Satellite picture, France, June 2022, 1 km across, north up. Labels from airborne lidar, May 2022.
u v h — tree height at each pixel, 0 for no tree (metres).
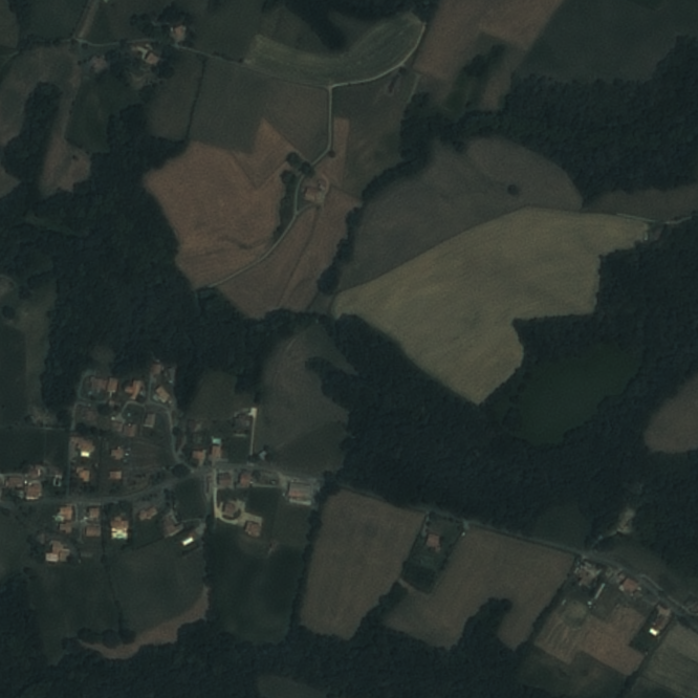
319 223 0
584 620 0
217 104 0
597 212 0
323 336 0
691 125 25
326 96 0
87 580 0
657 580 0
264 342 19
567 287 0
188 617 0
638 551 0
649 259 18
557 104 6
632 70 0
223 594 0
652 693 0
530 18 0
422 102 11
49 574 0
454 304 0
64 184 0
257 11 0
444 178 0
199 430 0
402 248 0
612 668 0
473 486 23
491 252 0
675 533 19
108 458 0
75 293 23
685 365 13
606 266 14
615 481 25
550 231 0
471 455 27
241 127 0
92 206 27
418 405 20
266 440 0
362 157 0
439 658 28
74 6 0
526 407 0
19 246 6
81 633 14
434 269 0
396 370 21
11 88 0
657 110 10
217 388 0
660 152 15
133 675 25
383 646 27
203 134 0
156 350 22
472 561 0
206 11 0
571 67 0
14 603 24
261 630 0
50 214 19
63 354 24
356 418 18
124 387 6
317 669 19
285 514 0
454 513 16
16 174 11
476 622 14
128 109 11
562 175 0
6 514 10
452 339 0
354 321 19
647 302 24
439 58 0
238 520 0
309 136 0
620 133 21
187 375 17
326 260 0
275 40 0
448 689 22
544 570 0
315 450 0
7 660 20
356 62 0
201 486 0
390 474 17
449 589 0
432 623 0
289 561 0
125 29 0
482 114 21
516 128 26
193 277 0
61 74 0
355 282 0
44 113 17
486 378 0
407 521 0
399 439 24
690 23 0
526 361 12
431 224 0
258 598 0
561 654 0
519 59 0
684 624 16
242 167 0
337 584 0
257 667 23
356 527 0
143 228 28
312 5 10
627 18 0
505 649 15
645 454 15
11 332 0
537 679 0
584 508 14
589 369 0
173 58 18
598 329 9
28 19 8
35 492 0
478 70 6
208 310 28
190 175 0
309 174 23
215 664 29
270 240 0
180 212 0
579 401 0
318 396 0
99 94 0
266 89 0
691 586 0
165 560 0
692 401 0
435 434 23
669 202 0
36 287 15
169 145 16
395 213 0
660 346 25
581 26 0
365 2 22
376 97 0
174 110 0
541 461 25
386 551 0
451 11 0
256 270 0
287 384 0
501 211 0
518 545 0
